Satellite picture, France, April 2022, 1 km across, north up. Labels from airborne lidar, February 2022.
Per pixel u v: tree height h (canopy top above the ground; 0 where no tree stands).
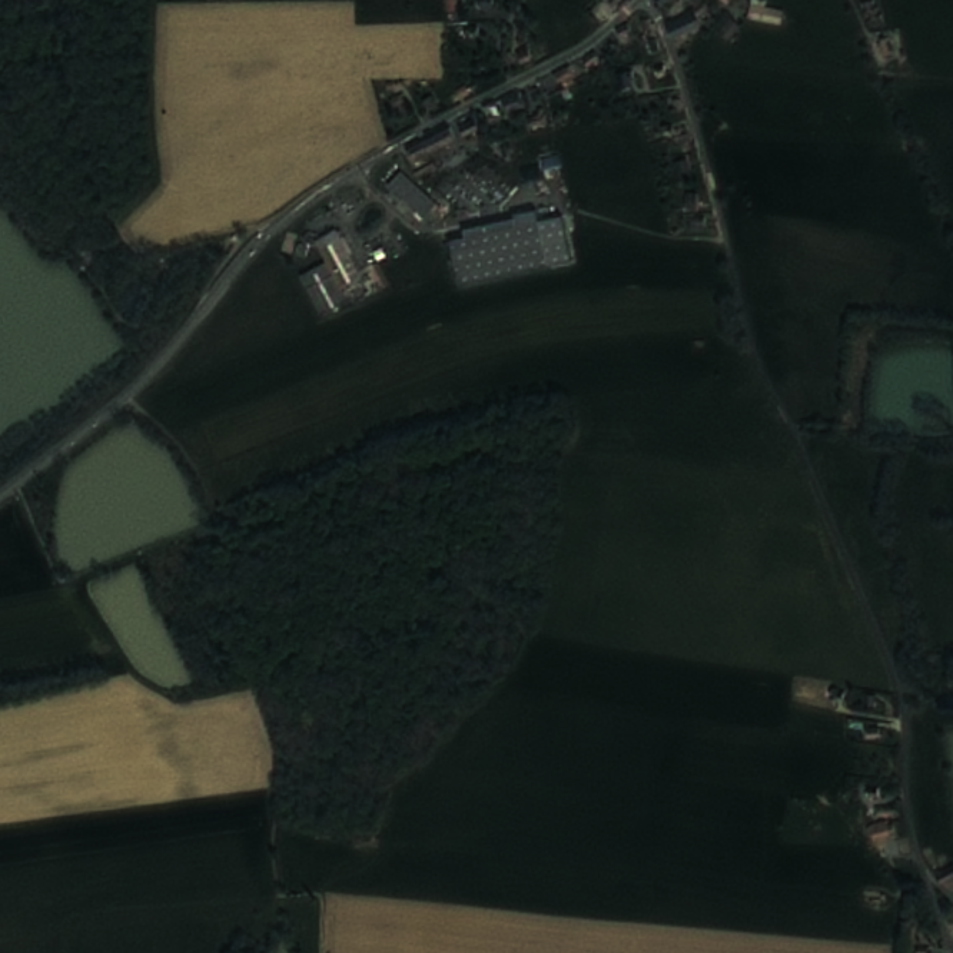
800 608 0
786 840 0
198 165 0
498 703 0
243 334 0
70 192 25
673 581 0
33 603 0
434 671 24
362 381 0
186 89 0
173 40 0
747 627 0
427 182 6
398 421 0
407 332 0
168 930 0
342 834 23
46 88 27
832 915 0
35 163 23
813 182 0
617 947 0
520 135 8
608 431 0
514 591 24
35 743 0
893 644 0
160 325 19
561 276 0
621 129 0
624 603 0
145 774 0
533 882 0
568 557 0
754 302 0
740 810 0
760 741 0
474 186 0
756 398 0
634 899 0
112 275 15
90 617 0
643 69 0
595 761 0
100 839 0
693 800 0
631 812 0
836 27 0
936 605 0
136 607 0
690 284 0
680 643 0
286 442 0
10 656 0
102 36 25
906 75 0
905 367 0
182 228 0
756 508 0
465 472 24
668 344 0
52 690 18
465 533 22
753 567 0
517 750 0
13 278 0
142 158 24
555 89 0
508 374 0
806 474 0
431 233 0
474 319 0
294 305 0
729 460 0
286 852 0
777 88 0
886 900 0
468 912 0
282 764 16
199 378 0
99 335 0
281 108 0
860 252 0
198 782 0
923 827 0
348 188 0
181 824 0
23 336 0
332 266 0
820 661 0
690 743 0
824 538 0
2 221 0
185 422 0
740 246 0
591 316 0
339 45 0
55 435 19
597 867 0
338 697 29
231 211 0
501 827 0
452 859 0
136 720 0
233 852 0
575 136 0
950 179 0
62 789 0
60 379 0
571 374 0
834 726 0
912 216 0
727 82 0
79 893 0
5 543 0
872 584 0
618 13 0
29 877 0
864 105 0
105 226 23
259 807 0
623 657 0
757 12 0
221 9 0
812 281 0
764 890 0
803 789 0
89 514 0
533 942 0
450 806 0
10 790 0
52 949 0
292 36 0
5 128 25
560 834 0
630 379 0
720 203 10
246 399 0
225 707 0
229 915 0
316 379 0
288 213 0
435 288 0
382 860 0
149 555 0
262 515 10
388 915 0
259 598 26
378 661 28
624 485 0
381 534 25
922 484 0
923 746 0
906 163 0
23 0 27
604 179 0
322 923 0
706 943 0
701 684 0
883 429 12
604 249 0
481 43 11
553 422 25
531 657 0
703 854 0
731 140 0
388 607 24
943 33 0
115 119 28
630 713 0
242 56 0
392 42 0
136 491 0
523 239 0
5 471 18
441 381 0
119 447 0
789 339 0
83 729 0
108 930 0
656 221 0
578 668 0
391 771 27
